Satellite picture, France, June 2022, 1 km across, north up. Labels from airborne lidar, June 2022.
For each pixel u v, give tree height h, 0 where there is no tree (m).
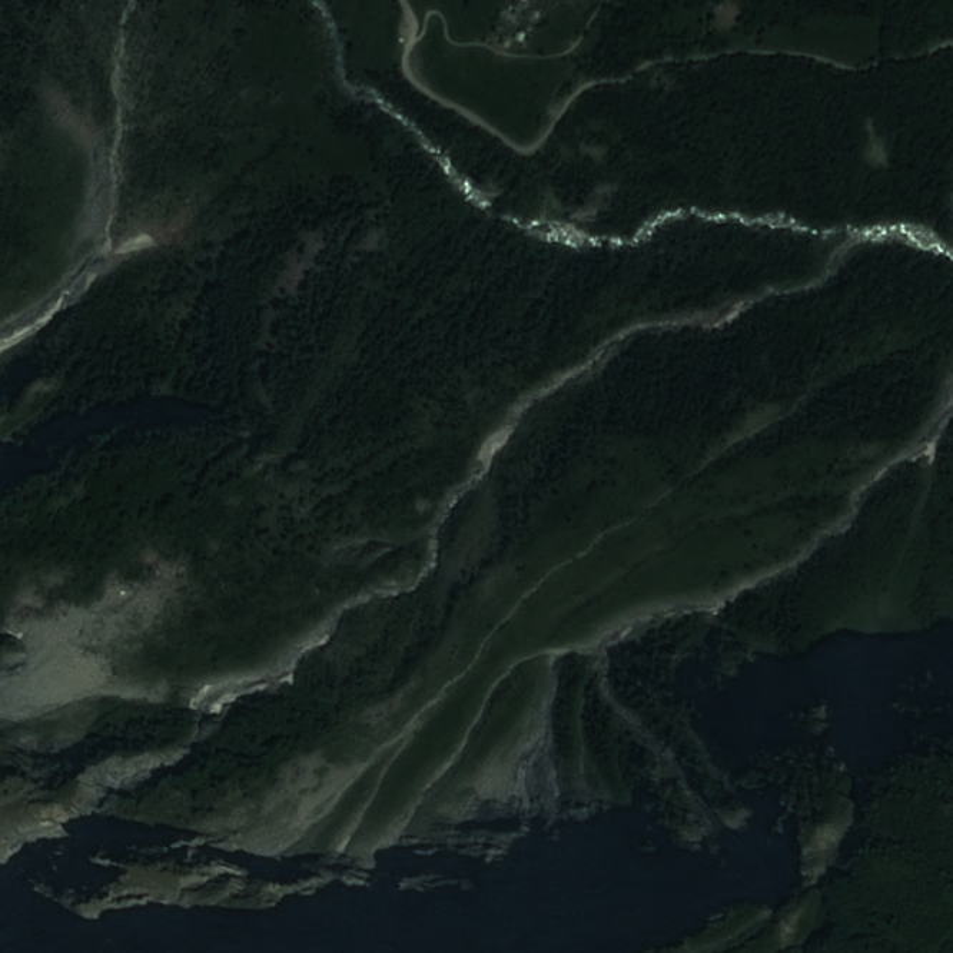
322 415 9
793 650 12
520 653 0
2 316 0
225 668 0
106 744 8
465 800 0
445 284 9
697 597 0
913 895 6
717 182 17
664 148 20
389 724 0
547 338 10
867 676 8
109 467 22
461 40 0
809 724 23
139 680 0
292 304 9
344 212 14
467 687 0
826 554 7
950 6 21
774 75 19
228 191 6
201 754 12
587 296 15
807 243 10
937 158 19
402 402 11
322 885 0
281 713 7
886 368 12
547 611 0
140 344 10
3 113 12
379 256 11
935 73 17
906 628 0
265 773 7
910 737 15
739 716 20
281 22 0
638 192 14
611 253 24
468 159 16
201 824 0
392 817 0
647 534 0
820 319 14
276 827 0
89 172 0
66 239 0
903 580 0
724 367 15
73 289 9
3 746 10
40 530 16
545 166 13
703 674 8
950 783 7
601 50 15
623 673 15
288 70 0
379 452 13
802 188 11
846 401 16
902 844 8
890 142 11
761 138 20
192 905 0
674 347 12
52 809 0
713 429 7
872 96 18
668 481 6
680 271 12
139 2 6
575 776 0
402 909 0
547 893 0
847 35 0
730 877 19
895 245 6
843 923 6
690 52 15
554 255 11
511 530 11
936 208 16
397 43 0
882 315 15
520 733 0
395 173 11
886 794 10
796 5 15
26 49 11
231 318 27
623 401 13
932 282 17
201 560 9
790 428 9
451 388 7
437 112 15
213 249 23
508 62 0
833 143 15
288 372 10
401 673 7
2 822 0
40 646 0
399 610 7
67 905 0
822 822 9
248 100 0
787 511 9
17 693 0
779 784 9
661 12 17
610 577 0
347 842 0
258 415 10
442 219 7
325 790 0
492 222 15
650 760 14
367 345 6
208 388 15
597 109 17
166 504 18
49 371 17
